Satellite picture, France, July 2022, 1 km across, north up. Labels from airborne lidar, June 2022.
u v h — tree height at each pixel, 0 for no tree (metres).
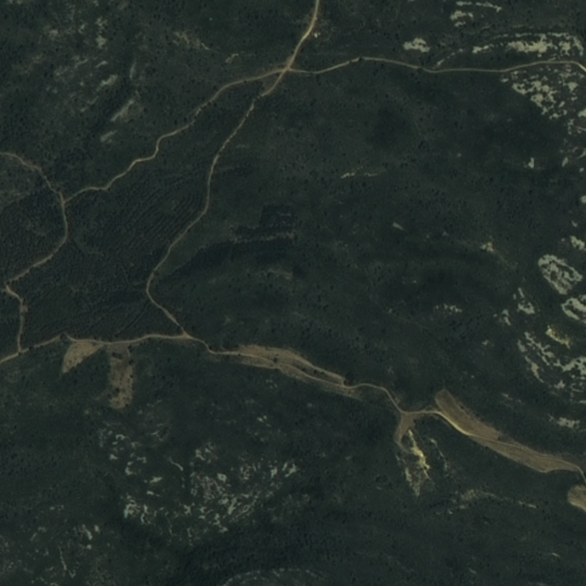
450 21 0
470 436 0
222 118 7
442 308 0
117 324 7
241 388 0
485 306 0
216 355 0
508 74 0
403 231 0
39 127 7
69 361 0
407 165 9
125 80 9
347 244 0
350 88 0
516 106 0
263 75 0
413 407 0
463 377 0
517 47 0
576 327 0
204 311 9
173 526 0
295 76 0
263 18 8
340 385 0
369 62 0
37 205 6
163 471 0
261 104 9
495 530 0
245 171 5
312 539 7
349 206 0
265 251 9
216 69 0
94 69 0
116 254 6
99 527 0
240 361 0
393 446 0
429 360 0
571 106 0
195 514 0
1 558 0
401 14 0
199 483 0
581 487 0
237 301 0
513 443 0
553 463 0
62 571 0
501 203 10
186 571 7
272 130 0
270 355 0
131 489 0
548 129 0
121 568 0
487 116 0
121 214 7
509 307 0
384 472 0
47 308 5
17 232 7
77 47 7
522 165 0
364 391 0
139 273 8
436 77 6
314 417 6
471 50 0
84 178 7
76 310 5
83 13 0
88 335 7
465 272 0
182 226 7
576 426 0
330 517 6
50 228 6
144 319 7
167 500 0
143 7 9
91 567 0
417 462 0
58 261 8
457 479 0
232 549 5
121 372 0
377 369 0
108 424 0
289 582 0
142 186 7
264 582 0
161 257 7
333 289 8
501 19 0
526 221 7
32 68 0
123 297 8
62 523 0
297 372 0
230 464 0
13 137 11
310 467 7
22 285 6
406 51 0
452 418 0
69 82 0
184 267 8
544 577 5
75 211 8
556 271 0
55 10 0
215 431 0
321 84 7
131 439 0
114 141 0
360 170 0
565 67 0
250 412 0
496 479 0
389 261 0
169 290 6
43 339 7
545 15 0
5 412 0
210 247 6
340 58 0
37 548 0
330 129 6
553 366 0
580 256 0
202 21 0
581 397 0
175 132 0
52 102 0
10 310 6
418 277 0
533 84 0
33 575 0
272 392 0
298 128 6
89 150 7
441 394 0
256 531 6
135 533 7
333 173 9
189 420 0
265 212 9
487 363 0
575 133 0
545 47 0
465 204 7
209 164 6
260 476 0
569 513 0
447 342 9
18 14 7
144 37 0
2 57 7
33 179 7
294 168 6
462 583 6
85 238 8
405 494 0
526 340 0
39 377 0
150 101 7
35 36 0
